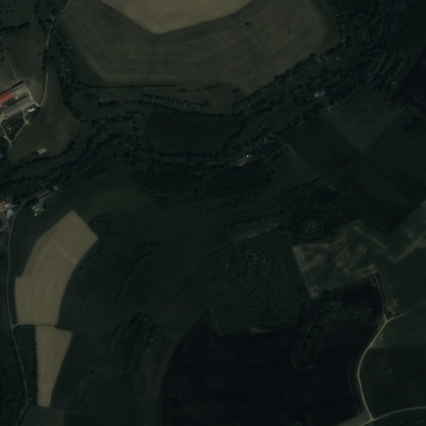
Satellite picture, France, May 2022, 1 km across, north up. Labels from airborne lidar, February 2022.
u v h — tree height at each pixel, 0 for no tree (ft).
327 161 0
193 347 0
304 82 0
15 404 47
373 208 0
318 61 26
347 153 0
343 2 0
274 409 0
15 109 0
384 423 0
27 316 0
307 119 51
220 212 19
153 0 0
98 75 0
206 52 0
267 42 0
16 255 0
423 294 0
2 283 0
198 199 23
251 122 72
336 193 28
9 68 0
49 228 0
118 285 0
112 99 0
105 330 0
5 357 0
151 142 0
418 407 0
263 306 18
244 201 19
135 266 18
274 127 0
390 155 0
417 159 0
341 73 54
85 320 0
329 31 0
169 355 0
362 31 67
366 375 0
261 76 0
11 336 0
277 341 0
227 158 55
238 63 0
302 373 0
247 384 0
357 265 0
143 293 0
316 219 27
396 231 0
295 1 0
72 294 0
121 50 0
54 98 0
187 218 0
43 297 0
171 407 0
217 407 0
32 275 0
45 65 28
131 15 0
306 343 28
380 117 0
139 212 0
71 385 0
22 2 0
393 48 48
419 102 0
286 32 0
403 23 46
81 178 0
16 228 0
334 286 0
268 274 19
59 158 21
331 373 0
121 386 0
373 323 0
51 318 0
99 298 0
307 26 0
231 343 0
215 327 0
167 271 0
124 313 0
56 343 0
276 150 53
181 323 0
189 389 0
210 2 0
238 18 0
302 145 0
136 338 35
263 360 0
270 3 0
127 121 62
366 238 0
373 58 73
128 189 0
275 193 0
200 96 0
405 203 0
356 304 0
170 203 19
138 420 0
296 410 0
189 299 0
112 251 0
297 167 0
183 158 64
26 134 0
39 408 0
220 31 0
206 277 25
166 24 0
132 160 22
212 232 0
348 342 0
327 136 0
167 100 30
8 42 0
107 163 0
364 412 0
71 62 23
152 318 0
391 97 0
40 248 0
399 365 0
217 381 0
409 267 0
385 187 0
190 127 0
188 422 0
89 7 0
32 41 0
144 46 0
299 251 0
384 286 0
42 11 39
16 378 0
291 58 0
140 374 0
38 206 0
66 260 0
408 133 38
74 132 0
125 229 0
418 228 0
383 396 0
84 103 0
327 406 0
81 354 0
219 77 0
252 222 40
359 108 0
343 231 0
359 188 0
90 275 0
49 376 0
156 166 28
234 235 0
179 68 0
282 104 54
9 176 29
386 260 0
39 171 0
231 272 18
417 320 0
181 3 0
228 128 0
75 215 0
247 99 25
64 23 0
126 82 0
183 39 0
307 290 20
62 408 0
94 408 0
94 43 0
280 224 0
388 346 0
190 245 0
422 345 0
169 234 0
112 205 0
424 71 0
